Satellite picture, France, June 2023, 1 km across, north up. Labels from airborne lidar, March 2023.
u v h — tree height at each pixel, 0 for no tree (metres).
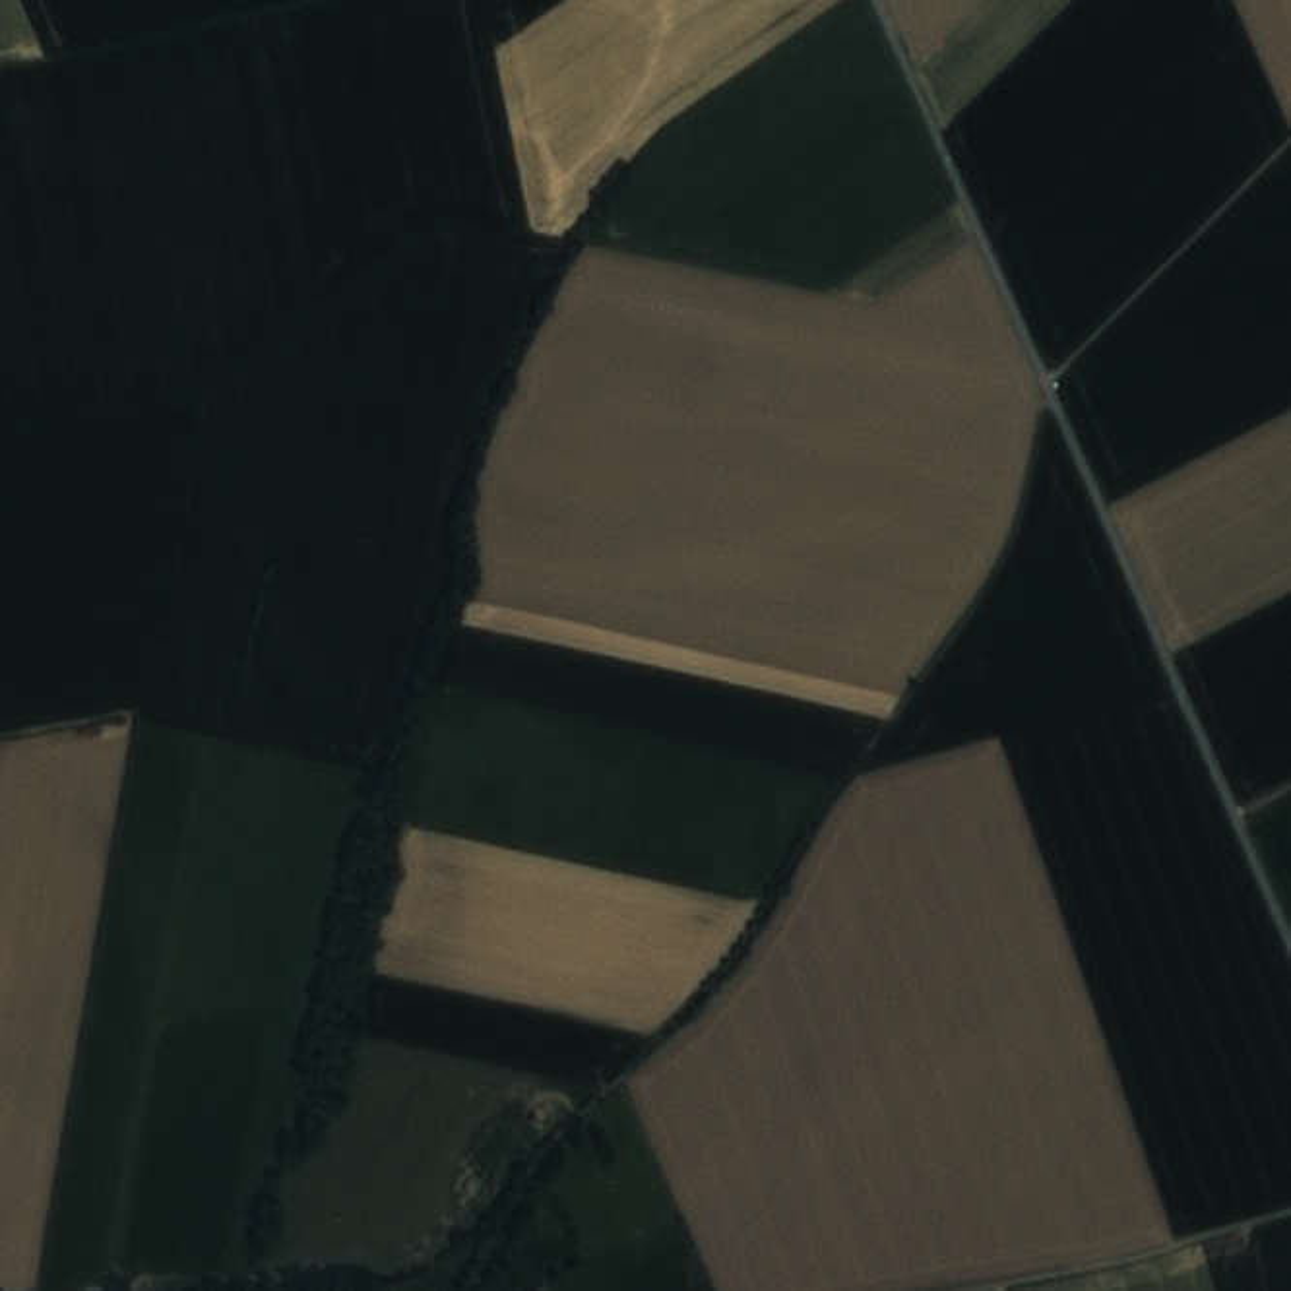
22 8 0
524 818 0
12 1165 0
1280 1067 0
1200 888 0
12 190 0
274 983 0
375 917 11
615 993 0
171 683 0
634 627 0
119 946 0
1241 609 0
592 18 0
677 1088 0
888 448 0
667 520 0
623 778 0
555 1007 0
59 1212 0
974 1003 0
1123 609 0
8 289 0
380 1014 0
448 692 0
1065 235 0
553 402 0
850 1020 0
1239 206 0
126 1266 0
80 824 0
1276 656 0
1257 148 0
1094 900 0
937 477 0
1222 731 0
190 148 0
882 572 0
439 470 0
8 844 0
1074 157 0
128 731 0
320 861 0
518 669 0
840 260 0
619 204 0
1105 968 0
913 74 0
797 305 0
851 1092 0
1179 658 0
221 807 0
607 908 0
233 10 0
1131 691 0
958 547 0
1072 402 0
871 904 0
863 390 0
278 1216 16
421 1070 0
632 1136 0
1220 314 0
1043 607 0
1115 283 0
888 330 0
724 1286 0
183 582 0
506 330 0
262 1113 0
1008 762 0
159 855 0
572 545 0
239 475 0
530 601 0
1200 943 0
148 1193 0
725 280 0
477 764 0
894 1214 0
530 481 0
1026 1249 0
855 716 0
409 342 0
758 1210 0
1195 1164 0
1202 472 0
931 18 0
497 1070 0
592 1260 0
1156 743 0
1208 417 0
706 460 0
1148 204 0
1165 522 0
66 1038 0
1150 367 0
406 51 0
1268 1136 0
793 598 0
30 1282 0
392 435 0
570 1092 0
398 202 0
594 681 0
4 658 0
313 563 0
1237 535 0
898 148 0
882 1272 0
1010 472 0
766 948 0
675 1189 0
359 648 0
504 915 0
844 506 0
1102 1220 0
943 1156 0
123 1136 0
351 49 0
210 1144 0
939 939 0
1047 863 0
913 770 0
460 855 0
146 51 0
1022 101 0
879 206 0
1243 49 0
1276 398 0
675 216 0
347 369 0
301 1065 17
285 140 0
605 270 0
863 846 0
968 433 0
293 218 0
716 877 0
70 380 0
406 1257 0
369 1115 0
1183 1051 0
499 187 0
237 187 0
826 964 0
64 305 0
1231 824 0
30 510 0
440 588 0
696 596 0
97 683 0
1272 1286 0
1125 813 0
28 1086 0
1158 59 0
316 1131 26
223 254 0
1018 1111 0
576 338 0
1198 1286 0
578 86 0
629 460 0
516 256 0
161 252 0
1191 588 0
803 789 0
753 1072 0
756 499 0
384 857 22
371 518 0
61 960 0
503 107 0
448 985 0
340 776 0
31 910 0
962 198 0
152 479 0
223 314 0
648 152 0
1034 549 0
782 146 0
